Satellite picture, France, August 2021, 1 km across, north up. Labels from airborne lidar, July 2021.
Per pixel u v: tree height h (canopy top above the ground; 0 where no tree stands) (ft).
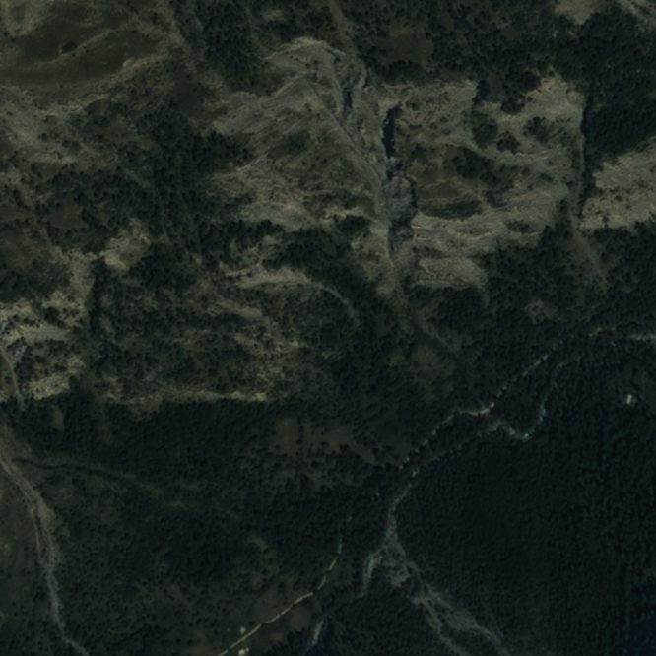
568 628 19
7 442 0
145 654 42
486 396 53
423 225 0
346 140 0
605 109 34
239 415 33
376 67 40
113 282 40
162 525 21
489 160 19
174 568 28
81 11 0
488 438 38
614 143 78
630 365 82
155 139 25
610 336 36
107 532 25
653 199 0
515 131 0
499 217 0
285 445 0
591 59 43
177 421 51
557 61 28
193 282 19
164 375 30
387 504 50
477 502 39
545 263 54
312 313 29
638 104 34
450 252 0
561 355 30
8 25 0
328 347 23
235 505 26
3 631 0
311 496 33
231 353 53
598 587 62
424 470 45
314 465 28
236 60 50
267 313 32
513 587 32
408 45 0
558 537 37
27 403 47
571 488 30
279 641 0
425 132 0
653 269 39
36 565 26
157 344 30
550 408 21
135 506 25
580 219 28
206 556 63
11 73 0
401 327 26
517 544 28
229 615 31
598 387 74
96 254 46
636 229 29
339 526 55
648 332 52
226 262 62
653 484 31
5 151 0
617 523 69
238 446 28
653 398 0
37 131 0
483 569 22
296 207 0
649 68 25
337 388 24
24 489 0
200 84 18
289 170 0
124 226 37
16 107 0
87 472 22
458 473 35
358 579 47
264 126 0
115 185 68
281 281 0
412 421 21
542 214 0
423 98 0
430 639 20
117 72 0
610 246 26
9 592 0
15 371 37
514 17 21
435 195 0
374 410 35
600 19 53
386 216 0
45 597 32
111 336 25
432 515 47
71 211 0
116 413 37
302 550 24
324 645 24
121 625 19
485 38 54
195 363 23
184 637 0
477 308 84
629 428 80
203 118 0
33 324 20
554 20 19
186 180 19
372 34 34
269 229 66
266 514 34
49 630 29
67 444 47
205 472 31
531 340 18
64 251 29
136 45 0
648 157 0
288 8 32
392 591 20
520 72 19
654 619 56
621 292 21
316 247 23
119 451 20
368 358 26
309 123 0
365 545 47
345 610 44
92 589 20
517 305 22
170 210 61
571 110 0
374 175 0
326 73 0
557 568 35
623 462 78
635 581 20
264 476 23
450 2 28
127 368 23
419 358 0
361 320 51
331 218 19
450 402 30
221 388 26
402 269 0
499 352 20
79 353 28
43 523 0
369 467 32
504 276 57
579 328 26
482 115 22
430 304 27
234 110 0
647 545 24
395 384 25
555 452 29
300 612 0
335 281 67
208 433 45
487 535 35
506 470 34
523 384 19
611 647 58
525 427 37
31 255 0
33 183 28
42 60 0
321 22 47
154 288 25
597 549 44
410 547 22
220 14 50
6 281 40
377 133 0
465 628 0
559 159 0
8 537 0
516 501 31
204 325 49
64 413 53
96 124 27
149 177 22
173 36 0
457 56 48
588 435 39
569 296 18
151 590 23
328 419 24
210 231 25
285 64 0
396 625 25
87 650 36
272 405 22
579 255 0
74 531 20
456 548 38
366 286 33
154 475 33
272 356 19
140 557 22
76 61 0
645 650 82
